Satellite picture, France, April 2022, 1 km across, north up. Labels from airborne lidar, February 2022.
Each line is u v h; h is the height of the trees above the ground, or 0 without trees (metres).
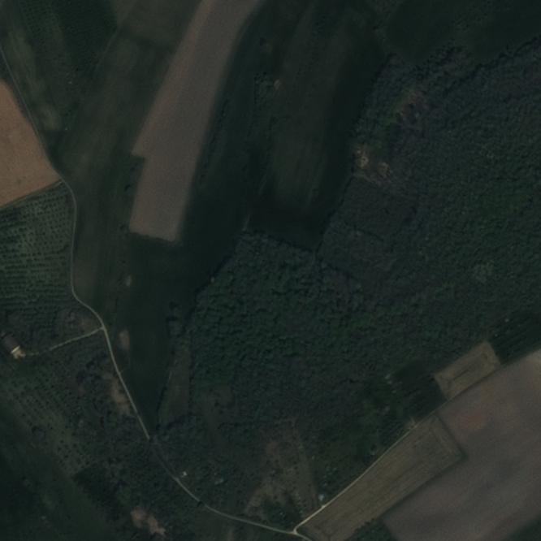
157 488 13
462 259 23
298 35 0
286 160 0
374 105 22
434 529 0
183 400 0
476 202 19
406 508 0
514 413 0
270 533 0
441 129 19
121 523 15
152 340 0
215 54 0
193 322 21
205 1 0
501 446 0
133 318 0
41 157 0
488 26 0
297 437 12
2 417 0
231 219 0
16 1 0
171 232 0
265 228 0
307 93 0
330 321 20
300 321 27
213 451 13
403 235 17
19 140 0
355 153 0
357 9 0
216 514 0
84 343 8
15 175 0
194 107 0
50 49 0
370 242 25
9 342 0
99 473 0
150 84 0
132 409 7
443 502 0
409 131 23
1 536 0
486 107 22
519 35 0
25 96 0
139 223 0
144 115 0
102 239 0
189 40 0
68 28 7
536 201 17
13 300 8
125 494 30
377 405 0
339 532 0
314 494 0
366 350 21
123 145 0
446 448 0
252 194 0
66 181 0
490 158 21
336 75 0
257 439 7
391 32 0
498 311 22
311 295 17
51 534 0
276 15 0
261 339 20
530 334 0
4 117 0
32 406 7
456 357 20
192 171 0
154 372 0
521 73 17
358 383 12
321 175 0
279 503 0
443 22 0
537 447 0
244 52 0
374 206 7
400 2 20
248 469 0
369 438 0
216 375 17
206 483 9
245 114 0
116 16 0
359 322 18
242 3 0
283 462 0
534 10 0
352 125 0
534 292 17
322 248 10
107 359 12
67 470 0
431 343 17
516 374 0
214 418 0
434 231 13
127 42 0
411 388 0
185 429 22
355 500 0
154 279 0
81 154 0
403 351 19
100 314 0
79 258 0
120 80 0
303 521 0
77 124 0
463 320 9
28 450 0
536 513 0
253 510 9
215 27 0
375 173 0
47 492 0
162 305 0
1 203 0
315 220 0
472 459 0
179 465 16
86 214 0
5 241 5
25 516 0
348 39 0
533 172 20
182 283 0
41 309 6
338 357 27
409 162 16
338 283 32
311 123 0
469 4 0
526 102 21
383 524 0
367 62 0
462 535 0
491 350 0
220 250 0
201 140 0
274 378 20
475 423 0
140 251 0
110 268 0
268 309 23
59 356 11
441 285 21
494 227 16
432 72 17
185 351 16
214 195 0
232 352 21
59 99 0
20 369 0
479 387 0
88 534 0
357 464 0
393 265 23
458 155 23
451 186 23
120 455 19
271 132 6
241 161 0
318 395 18
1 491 0
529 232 8
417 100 0
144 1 0
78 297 0
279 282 27
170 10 0
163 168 0
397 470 0
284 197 0
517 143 22
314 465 0
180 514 0
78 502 0
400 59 18
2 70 16
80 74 7
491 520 0
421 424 0
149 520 0
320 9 0
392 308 16
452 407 0
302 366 23
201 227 0
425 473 0
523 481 0
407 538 0
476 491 0
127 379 0
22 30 0
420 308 13
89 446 9
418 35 0
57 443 0
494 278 21
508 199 20
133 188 10
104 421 12
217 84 0
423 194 26
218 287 22
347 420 17
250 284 20
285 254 27
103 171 0
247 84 0
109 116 0
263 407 22
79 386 0
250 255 19
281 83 0
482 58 0
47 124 0
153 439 7
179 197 0
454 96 23
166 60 0
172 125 0
